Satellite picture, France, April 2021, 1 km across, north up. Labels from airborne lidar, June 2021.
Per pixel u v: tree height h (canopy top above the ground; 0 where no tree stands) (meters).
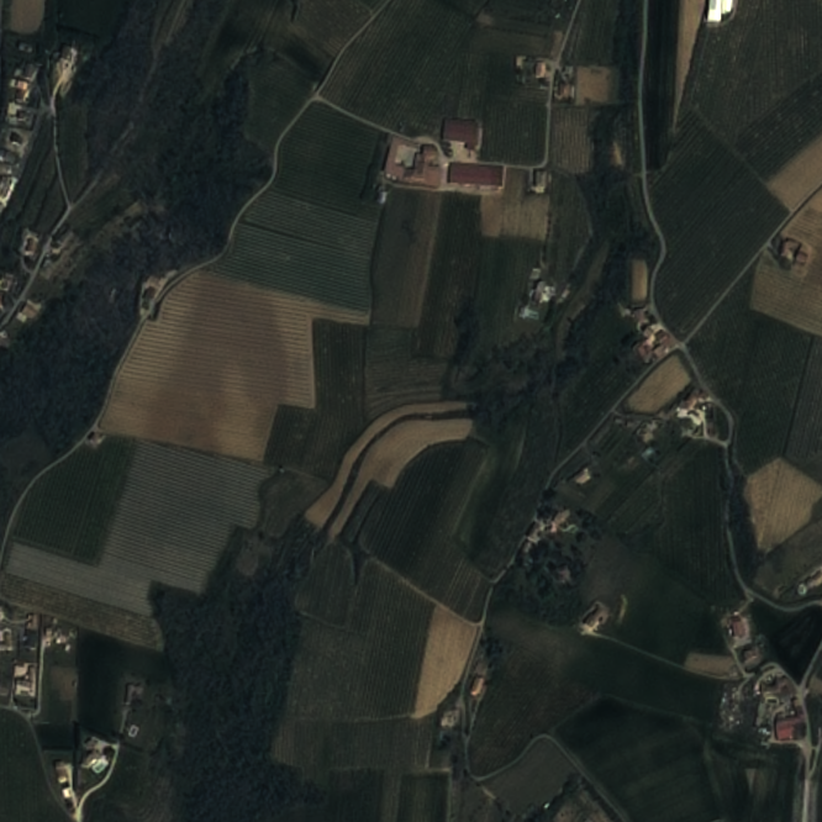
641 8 11
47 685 0
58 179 0
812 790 0
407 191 0
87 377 19
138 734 0
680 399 7
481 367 14
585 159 0
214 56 0
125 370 0
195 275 0
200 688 18
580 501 0
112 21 0
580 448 0
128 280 20
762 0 0
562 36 0
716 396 0
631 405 0
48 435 22
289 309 0
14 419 16
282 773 13
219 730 20
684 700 0
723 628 0
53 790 0
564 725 0
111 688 0
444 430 0
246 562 0
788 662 0
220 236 13
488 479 0
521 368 12
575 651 0
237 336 0
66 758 0
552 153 0
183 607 15
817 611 0
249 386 0
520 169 0
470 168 0
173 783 11
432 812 0
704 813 0
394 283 0
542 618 10
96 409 12
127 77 21
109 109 12
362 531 0
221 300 0
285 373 0
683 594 0
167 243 21
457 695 7
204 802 17
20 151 0
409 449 0
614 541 0
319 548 9
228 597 8
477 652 0
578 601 6
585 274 13
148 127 22
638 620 0
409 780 0
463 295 0
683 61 0
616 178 19
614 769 0
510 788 0
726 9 0
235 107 17
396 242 0
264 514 6
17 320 0
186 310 0
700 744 0
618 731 0
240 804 15
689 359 0
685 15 0
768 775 0
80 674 0
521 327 0
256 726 13
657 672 0
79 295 13
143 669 0
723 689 0
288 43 0
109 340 18
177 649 13
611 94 0
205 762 20
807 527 0
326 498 0
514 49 0
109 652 0
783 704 0
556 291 12
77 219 0
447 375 0
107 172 14
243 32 0
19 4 0
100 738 12
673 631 0
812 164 0
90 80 16
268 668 9
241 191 12
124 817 10
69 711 0
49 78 11
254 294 0
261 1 0
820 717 0
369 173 6
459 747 16
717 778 0
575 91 0
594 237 9
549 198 0
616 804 0
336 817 0
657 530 7
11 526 0
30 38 0
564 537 7
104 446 0
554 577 10
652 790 0
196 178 13
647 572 0
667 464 0
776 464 0
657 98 0
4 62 8
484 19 0
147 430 0
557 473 0
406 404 0
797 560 0
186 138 22
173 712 13
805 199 0
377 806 0
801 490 0
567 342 10
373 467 0
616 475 0
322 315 0
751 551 6
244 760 18
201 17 21
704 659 0
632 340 7
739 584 9
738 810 0
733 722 0
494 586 9
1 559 0
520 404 8
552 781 0
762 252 0
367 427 0
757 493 0
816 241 0
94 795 5
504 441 0
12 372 23
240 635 6
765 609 0
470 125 0
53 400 30
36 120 0
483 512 0
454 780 14
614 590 0
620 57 8
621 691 0
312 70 0
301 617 7
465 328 16
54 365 24
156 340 0
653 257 0
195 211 19
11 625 0
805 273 0
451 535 0
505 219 0
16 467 0
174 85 18
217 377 0
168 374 0
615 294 12
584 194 11
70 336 23
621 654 0
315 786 13
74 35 13
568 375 12
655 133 0
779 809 0
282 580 18
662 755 0
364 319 0
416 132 0
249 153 16
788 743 0
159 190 36
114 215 13
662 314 0
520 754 0
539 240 0
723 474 8
